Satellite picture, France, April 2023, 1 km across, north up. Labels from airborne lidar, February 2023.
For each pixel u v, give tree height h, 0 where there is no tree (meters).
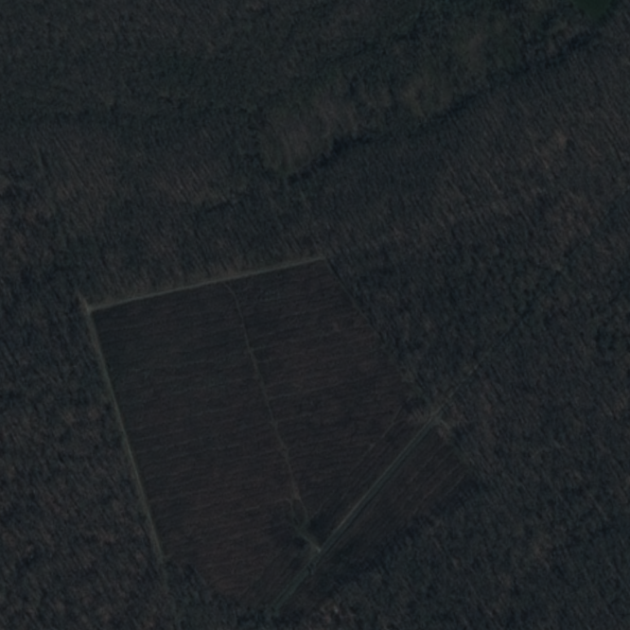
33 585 35
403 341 34
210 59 24
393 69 21
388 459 6
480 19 20
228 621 34
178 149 32
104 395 28
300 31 17
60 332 37
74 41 28
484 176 32
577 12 16
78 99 22
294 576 6
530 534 34
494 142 31
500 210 36
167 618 36
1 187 34
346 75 22
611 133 31
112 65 23
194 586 30
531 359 37
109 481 36
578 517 38
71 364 24
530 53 21
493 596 38
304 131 0
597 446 34
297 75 23
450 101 0
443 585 36
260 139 16
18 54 31
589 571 33
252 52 17
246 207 32
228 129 28
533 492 36
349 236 32
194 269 31
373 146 26
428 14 29
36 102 20
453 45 20
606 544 34
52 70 11
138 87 24
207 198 28
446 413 31
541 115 34
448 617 34
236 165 29
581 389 38
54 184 30
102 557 37
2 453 10
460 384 35
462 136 31
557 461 35
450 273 35
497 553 33
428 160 29
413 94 24
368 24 26
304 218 28
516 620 35
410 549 34
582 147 33
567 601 38
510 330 30
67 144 29
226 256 33
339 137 0
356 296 34
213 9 24
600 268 34
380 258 33
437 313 35
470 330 35
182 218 31
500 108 30
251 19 16
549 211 36
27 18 25
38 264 32
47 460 33
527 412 38
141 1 29
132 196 29
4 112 24
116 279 31
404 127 21
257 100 25
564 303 36
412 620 31
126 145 25
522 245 36
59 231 32
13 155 30
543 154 34
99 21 26
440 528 33
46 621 33
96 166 28
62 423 29
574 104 31
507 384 36
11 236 32
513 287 27
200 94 23
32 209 34
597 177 33
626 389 39
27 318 37
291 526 0
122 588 36
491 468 38
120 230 30
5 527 19
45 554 35
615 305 18
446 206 36
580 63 31
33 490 35
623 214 35
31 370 36
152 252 30
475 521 35
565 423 33
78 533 35
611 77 30
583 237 31
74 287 30
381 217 33
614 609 32
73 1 25
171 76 19
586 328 33
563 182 33
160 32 26
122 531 37
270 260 29
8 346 35
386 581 36
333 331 6
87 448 31
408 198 34
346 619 27
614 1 0
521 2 16
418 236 34
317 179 22
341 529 0
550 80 31
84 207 30
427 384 35
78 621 36
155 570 38
